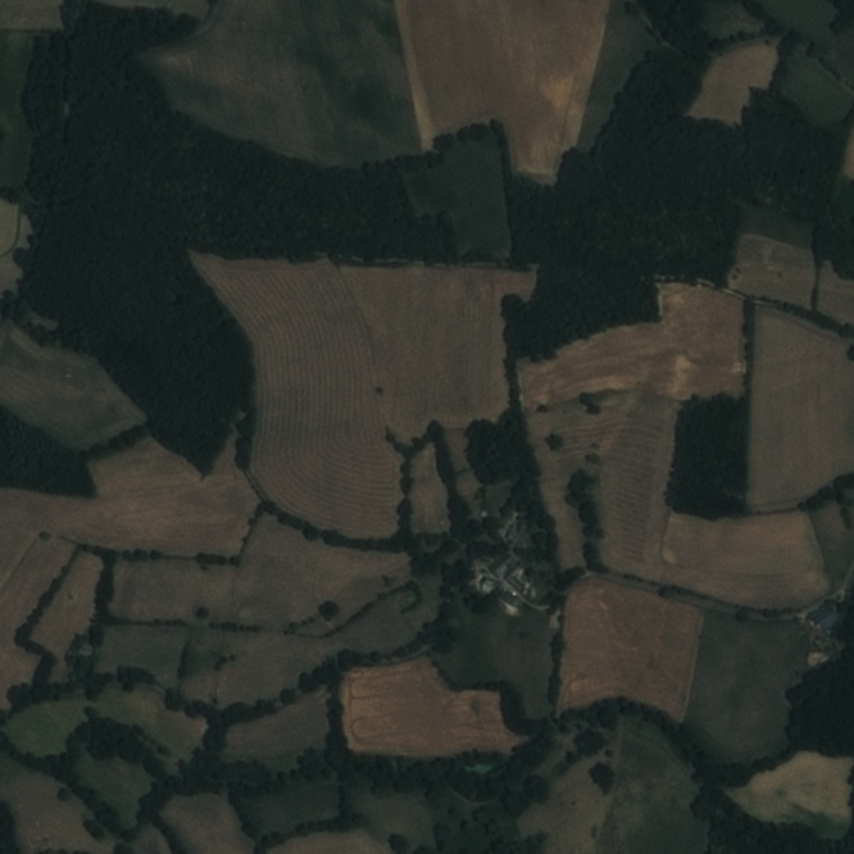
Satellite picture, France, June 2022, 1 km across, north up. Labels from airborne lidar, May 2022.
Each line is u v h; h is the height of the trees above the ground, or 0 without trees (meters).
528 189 15
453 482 13
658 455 0
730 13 0
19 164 0
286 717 0
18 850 13
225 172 16
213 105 0
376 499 0
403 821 0
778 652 0
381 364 0
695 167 20
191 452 20
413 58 0
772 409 0
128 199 22
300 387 0
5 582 0
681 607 0
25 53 0
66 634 0
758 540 0
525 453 21
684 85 27
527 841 8
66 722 0
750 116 16
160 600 0
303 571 0
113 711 0
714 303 0
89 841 0
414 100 0
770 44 6
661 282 8
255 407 9
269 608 0
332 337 0
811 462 0
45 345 17
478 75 0
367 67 0
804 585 0
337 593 0
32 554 0
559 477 0
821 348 0
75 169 20
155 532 0
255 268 0
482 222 0
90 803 16
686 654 0
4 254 0
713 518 12
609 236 17
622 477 0
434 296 0
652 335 0
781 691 0
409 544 19
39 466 20
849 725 19
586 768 0
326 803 0
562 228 16
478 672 0
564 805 0
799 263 0
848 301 0
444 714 0
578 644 0
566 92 0
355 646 0
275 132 0
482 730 0
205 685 0
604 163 23
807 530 0
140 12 12
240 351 21
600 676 0
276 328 0
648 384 0
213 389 27
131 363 24
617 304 12
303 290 0
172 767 0
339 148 0
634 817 0
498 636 0
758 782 0
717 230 16
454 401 0
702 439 15
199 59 0
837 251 17
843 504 9
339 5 0
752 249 0
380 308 0
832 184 13
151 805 20
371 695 0
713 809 19
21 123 0
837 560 0
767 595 0
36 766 17
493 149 0
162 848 0
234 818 0
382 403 0
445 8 0
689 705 0
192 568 0
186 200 15
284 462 0
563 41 0
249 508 0
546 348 18
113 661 0
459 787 21
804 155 21
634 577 7
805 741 20
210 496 0
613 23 0
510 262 9
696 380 0
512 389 10
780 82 13
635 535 0
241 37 0
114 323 23
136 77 22
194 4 0
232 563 13
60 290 23
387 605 0
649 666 0
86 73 22
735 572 0
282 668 0
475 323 0
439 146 15
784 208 11
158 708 0
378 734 0
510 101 0
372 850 0
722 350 0
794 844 28
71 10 22
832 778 0
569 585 17
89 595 0
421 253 12
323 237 17
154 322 25
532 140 0
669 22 21
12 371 0
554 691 15
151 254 20
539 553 9
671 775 0
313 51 0
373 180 18
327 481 0
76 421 0
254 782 30
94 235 24
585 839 0
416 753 0
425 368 0
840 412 0
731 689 0
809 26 0
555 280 16
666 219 18
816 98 0
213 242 9
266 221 11
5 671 0
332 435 0
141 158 16
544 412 20
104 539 0
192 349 28
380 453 0
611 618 0
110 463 0
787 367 0
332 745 24
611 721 25
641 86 24
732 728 0
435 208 0
